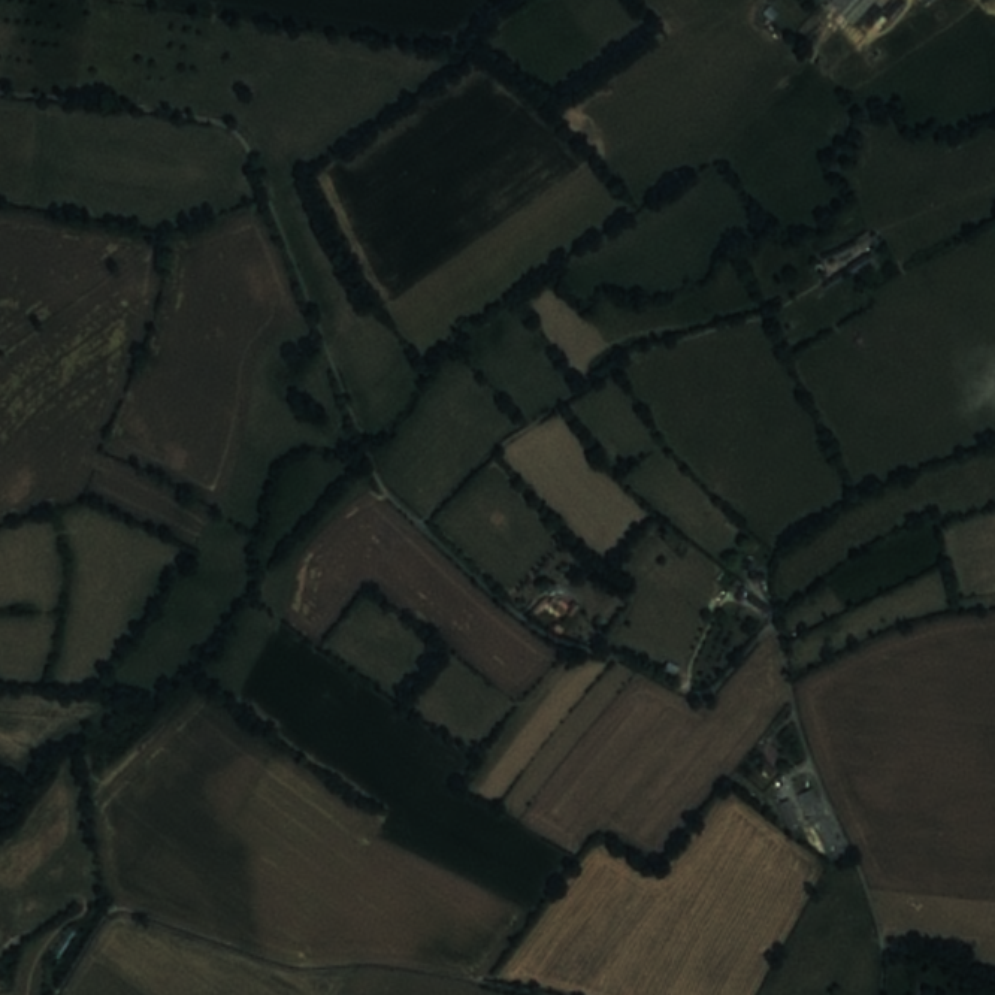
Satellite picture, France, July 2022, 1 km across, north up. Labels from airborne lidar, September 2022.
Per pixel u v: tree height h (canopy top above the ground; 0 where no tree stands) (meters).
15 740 0
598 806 0
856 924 0
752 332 0
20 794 19
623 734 0
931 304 0
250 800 0
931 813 0
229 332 0
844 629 0
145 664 0
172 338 0
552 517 15
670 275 0
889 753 0
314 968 0
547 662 0
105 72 0
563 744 0
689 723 0
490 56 19
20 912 0
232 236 0
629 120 0
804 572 0
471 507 0
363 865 0
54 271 0
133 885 0
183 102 0
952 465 7
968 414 0
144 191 0
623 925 0
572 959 0
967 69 0
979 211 0
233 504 0
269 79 0
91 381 0
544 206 0
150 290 0
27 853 0
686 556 0
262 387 0
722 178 16
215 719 0
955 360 0
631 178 0
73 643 0
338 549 0
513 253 0
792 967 0
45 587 0
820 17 0
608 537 0
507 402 16
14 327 0
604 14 0
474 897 0
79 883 0
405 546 0
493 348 0
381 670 0
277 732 16
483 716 0
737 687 0
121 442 0
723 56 0
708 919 0
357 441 15
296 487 0
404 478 0
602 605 0
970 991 11
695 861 0
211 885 0
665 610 0
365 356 0
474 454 0
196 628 0
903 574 0
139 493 0
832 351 0
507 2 18
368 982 0
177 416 0
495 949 0
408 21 0
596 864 0
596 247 16
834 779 0
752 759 6
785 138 0
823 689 0
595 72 20
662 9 0
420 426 0
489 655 0
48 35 0
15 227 0
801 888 0
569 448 0
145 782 0
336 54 0
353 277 21
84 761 15
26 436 0
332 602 0
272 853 0
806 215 0
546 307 0
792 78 0
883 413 0
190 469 0
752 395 0
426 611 0
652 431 7
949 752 0
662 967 0
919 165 0
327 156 7
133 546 0
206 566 0
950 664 0
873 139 0
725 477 0
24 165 0
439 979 0
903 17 0
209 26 0
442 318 0
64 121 0
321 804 0
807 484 0
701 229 0
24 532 0
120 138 0
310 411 23
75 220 24
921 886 0
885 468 0
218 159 0
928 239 0
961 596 7
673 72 0
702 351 0
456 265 0
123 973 0
